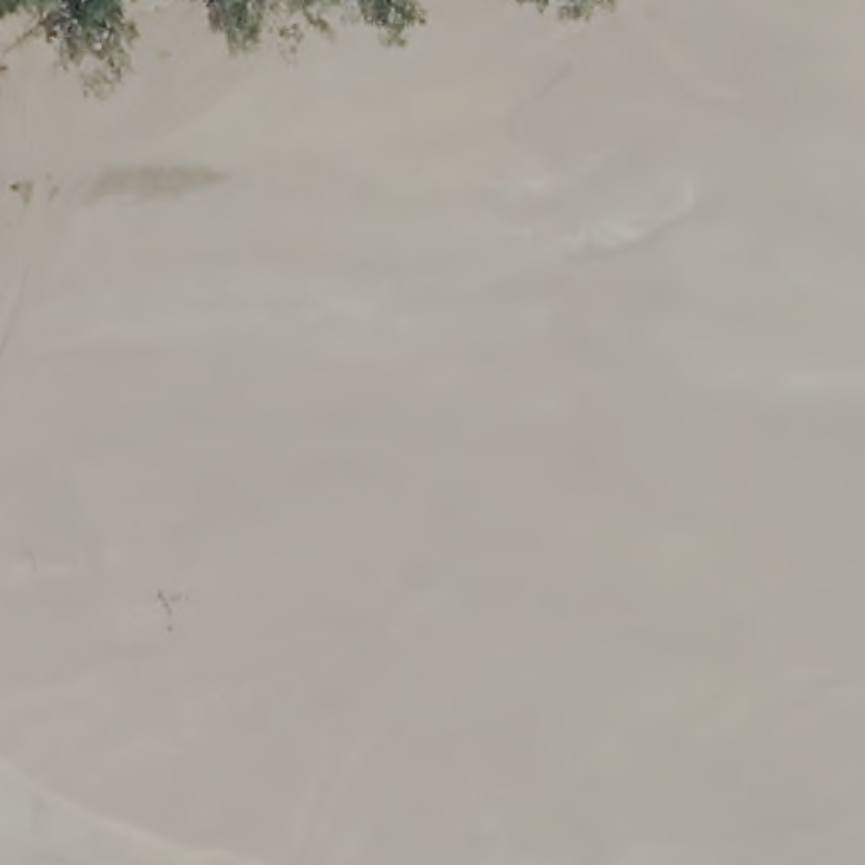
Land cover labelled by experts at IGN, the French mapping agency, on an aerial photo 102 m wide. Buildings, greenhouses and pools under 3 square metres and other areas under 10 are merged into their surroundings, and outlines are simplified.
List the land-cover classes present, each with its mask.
<instances>
[{"label":"bare soil","instance_id":"1","mask_svg":"<svg viewBox=\"0 0 865 865\"><path fill-rule=\"evenodd\" d=\"M426 14V24L385 30L365 20L362 0H277L274 10H264L260 37L250 44V51L237 54L230 51L223 30H213L206 0H122V17L98 30L88 51L74 61L68 57L61 37H44V24L37 20V0H0V865H865V0H412Z\"/></svg>","mask_w":865,"mask_h":865},{"label":"deciduous trees","instance_id":"2","mask_svg":"<svg viewBox=\"0 0 865 865\"><path fill-rule=\"evenodd\" d=\"M37 20L44 24V37H61L68 57L74 61L88 51L98 30L122 17V0H37ZM213 30H223L230 51L237 54L250 51V44L260 37L264 10H274L277 0H206ZM365 20L385 30L426 24V14L412 0H362Z\"/></svg>","mask_w":865,"mask_h":865}]
</instances>
